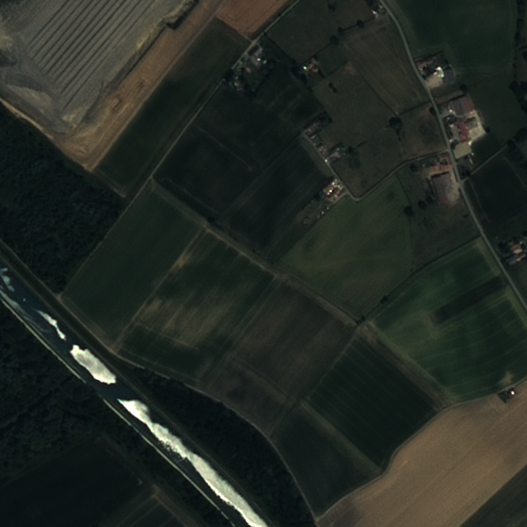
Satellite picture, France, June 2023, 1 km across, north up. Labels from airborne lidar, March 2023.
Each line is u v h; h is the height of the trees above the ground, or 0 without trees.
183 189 0
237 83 0
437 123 0
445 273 0
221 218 0
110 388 0
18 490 0
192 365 0
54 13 0
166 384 19
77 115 0
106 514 0
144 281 0
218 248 0
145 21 0
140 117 0
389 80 0
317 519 0
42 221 11
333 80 0
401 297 0
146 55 0
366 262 0
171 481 7
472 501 0
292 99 0
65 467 0
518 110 0
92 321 0
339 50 0
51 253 8
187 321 0
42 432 22
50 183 11
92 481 0
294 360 0
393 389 0
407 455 0
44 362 16
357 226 0
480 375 0
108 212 9
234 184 0
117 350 0
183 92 0
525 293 0
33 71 0
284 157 0
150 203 0
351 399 0
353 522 0
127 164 0
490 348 0
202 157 0
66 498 0
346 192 0
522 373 0
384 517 0
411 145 0
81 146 0
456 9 0
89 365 0
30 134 11
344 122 0
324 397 0
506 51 0
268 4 0
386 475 0
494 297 0
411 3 0
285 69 0
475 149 0
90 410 12
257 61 0
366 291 0
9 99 0
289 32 0
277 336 0
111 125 0
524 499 0
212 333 0
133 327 0
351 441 0
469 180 0
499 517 0
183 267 0
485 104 0
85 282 0
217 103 0
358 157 0
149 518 0
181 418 12
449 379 0
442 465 0
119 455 0
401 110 0
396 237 0
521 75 0
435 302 0
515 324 0
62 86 0
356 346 0
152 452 22
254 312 0
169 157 0
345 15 0
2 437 18
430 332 0
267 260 0
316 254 0
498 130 0
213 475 0
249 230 0
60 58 0
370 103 0
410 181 0
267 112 0
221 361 0
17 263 0
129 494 0
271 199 0
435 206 0
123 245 0
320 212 0
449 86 0
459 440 0
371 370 0
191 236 0
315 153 0
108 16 0
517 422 0
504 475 0
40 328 0
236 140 0
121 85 0
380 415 0
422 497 0
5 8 0
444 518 0
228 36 0
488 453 0
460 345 0
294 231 0
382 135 0
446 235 0
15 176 8
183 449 0
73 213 10
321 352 0
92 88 0
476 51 0
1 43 0
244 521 0
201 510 8
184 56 0
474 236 0
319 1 0
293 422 0
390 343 0
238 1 0
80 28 0
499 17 0
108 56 0
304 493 0
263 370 0
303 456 0
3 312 8
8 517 0
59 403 0
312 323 0
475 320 0
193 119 0
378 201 0
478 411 0
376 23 0
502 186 0
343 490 0
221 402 0
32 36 0
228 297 0
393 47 0
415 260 0
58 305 0
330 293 0
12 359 19
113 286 0
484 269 0
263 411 0
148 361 0
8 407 7
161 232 0
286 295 0
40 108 0
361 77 0
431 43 0
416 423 0
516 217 0
